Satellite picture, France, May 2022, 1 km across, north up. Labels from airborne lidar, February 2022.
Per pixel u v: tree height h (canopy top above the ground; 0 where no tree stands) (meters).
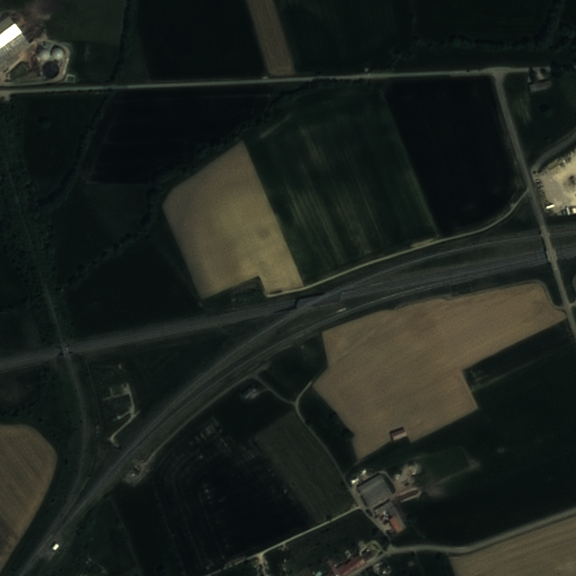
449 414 0
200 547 0
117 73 12
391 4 0
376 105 0
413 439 0
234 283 0
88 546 7
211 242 0
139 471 0
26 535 0
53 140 0
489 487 0
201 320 0
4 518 0
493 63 0
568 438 0
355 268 0
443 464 0
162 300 0
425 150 0
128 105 0
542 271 0
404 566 0
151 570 0
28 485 0
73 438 0
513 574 0
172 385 0
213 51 0
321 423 0
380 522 0
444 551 0
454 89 0
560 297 0
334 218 0
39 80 0
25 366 0
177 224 0
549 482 0
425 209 0
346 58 0
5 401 0
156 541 0
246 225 0
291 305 0
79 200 0
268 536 0
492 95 0
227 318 0
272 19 0
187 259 0
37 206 10
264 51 0
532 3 0
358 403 0
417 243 0
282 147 0
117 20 0
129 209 0
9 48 0
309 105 0
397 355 0
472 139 0
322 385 0
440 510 0
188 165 0
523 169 0
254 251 0
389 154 0
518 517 0
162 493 0
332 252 0
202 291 0
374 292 0
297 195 0
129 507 0
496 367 0
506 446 0
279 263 0
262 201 0
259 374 0
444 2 0
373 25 0
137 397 0
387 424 0
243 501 0
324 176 0
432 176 0
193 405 0
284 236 0
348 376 0
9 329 0
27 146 0
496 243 0
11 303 0
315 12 0
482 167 0
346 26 0
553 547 0
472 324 0
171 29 0
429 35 0
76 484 0
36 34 0
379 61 0
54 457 0
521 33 0
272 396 0
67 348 0
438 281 0
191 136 0
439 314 0
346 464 0
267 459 0
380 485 0
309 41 0
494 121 0
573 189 0
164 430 0
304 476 0
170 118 0
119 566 0
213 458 0
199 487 0
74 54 0
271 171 0
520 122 0
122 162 0
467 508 0
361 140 0
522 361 0
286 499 0
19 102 0
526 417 0
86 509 0
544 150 0
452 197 0
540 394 0
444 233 0
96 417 0
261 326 0
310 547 0
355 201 0
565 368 0
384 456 0
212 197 0
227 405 0
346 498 0
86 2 0
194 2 0
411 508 0
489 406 0
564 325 0
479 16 0
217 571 0
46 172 0
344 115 0
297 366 0
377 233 0
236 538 0
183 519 0
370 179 0
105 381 0
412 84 0
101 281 0
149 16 0
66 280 0
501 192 0
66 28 0
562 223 0
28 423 0
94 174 0
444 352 0
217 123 0
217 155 0
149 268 0
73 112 0
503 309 0
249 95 0
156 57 0
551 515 0
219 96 0
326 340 0
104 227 0
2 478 0
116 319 0
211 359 0
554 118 0
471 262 0
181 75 0
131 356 0
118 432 0
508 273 0
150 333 0
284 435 0
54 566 0
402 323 0
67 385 0
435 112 0
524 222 0
